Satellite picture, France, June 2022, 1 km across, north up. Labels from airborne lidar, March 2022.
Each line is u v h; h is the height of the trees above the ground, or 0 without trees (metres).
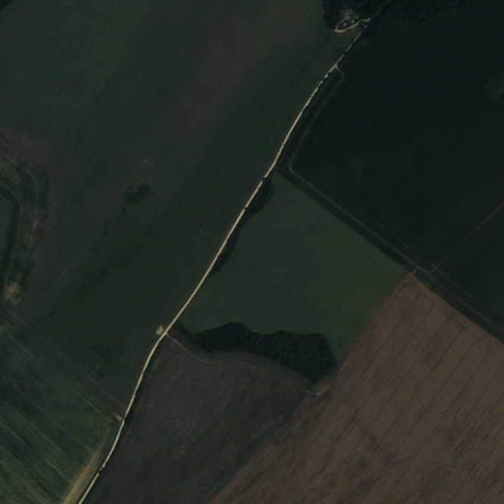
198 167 0
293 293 0
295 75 0
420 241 0
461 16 0
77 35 0
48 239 0
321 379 8
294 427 0
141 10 0
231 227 0
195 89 0
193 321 0
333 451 0
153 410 0
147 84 0
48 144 0
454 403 0
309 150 0
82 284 0
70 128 0
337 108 0
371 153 0
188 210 0
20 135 0
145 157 0
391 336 0
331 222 0
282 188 0
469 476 0
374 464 0
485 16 0
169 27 0
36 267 0
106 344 0
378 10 9
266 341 6
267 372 0
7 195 0
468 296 0
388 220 0
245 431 0
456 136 0
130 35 0
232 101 0
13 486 0
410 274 0
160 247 0
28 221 0
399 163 0
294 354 6
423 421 0
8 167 0
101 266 0
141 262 0
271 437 0
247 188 0
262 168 0
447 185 0
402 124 0
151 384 0
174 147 0
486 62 0
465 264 0
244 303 0
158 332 0
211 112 0
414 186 0
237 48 0
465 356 0
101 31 0
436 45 0
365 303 0
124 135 0
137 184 0
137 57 0
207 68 0
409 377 0
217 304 0
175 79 0
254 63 0
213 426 0
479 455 0
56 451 0
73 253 0
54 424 0
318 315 0
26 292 0
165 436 0
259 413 0
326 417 0
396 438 0
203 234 0
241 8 0
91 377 0
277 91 0
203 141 0
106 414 0
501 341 0
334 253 0
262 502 0
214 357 0
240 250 0
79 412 0
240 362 0
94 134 0
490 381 0
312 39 0
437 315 0
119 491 0
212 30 0
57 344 0
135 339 0
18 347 0
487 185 0
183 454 0
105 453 0
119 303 0
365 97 0
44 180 0
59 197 0
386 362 0
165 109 0
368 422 0
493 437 0
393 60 0
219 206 0
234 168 0
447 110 0
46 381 0
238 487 0
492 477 0
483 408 0
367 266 0
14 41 0
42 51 0
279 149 0
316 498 0
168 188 0
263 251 0
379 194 0
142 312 0
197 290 0
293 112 0
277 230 0
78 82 0
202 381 0
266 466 0
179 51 0
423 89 0
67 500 0
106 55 0
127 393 0
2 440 0
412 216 0
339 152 0
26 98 0
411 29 0
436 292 0
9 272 0
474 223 0
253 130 0
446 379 0
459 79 0
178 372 0
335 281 0
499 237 0
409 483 0
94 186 0
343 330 0
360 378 0
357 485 0
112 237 0
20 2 0
